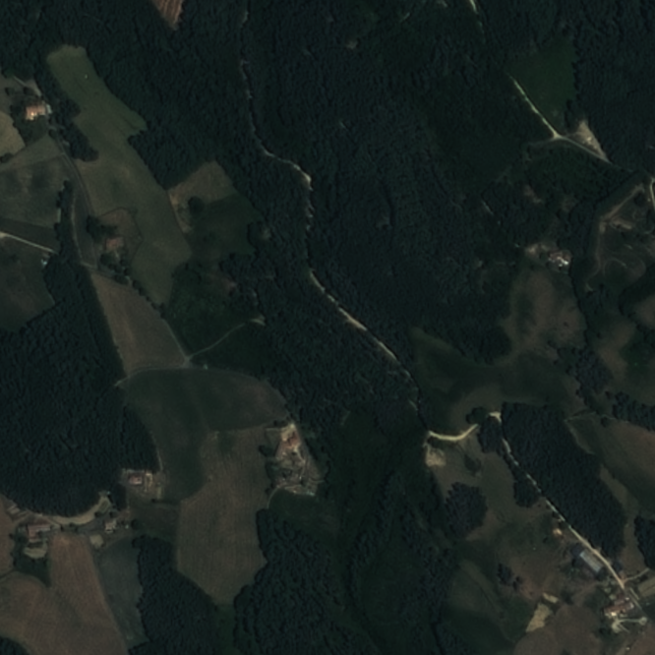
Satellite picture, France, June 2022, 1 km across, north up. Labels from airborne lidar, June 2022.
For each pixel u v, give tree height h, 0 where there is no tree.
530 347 0
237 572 0
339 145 24
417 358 21
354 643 23
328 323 29
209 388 0
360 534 6
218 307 0
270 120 22
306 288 35
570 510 20
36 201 0
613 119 24
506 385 0
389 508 28
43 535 11
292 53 26
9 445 24
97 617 0
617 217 0
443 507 19
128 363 0
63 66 0
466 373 0
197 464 0
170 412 0
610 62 33
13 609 0
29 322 0
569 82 0
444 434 12
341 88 28
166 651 20
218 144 21
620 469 0
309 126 16
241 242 0
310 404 26
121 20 34
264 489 0
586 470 28
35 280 0
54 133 10
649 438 0
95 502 16
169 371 0
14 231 0
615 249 0
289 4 23
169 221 0
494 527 0
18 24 19
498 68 9
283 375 16
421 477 6
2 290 0
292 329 17
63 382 18
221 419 0
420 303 17
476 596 0
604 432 0
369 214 23
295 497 0
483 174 5
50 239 0
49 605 0
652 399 0
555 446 18
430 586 20
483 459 0
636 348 9
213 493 0
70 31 30
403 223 35
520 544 0
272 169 39
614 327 0
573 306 0
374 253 18
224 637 7
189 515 0
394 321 26
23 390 34
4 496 11
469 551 0
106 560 0
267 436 10
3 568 0
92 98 0
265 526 22
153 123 16
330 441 22
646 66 41
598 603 0
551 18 29
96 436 18
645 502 0
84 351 27
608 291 30
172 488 0
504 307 11
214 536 0
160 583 29
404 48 21
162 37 31
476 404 0
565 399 0
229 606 0
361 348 25
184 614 28
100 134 0
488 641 0
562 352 19
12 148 0
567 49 0
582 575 0
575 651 0
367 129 23
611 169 21
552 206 18
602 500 23
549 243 0
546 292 0
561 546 0
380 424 22
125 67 32
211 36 32
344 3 27
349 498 8
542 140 10
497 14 26
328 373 21
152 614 19
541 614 0
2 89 0
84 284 19
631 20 31
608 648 0
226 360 0
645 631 0
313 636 32
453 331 18
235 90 17
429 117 6
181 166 26
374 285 18
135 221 0
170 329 0
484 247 11
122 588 0
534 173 12
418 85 19
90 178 0
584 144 0
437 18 12
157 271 0
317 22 24
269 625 34
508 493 0
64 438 20
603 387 24
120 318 0
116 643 0
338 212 18
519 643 0
